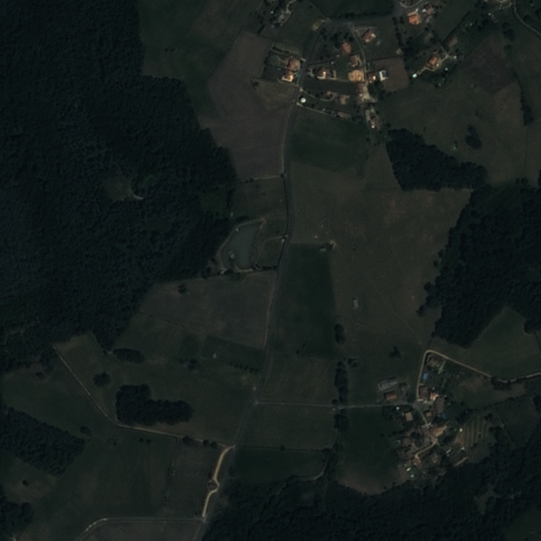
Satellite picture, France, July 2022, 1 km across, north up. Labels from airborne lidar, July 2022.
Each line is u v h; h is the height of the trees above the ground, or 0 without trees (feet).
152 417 73
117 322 66
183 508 0
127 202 45
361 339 0
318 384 0
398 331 0
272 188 0
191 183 72
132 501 0
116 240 58
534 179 0
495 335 0
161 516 0
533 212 56
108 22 32
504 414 0
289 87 0
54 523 0
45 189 80
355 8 0
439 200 0
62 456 56
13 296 73
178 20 0
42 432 76
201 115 0
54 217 74
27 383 0
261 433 0
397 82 0
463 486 61
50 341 41
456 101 0
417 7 0
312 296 0
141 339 0
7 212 75
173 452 0
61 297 72
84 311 64
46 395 0
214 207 0
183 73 0
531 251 62
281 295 0
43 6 84
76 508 0
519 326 0
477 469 49
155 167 52
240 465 0
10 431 56
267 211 0
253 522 64
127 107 42
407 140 66
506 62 0
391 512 58
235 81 0
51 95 37
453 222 0
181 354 0
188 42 0
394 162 50
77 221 47
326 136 0
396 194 0
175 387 0
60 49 39
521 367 0
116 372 0
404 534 47
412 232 0
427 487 35
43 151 56
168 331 0
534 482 64
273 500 53
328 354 0
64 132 61
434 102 0
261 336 0
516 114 0
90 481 0
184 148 54
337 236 0
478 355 0
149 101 33
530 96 0
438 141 0
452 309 64
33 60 72
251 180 22
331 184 0
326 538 71
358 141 0
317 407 0
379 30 0
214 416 0
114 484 0
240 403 0
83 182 71
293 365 0
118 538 0
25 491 0
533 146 0
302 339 0
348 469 0
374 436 0
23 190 69
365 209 0
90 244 59
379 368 0
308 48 0
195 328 0
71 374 0
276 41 0
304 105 29
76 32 52
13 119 57
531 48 0
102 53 79
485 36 0
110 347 33
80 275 64
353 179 0
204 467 0
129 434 0
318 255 0
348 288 0
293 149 0
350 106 0
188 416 62
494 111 0
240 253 0
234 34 0
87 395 0
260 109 0
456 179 82
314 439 0
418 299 0
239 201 0
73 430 0
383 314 0
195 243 19
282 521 69
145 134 57
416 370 0
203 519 0
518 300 58
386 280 0
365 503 54
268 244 0
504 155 0
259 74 0
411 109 0
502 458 67
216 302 0
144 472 0
